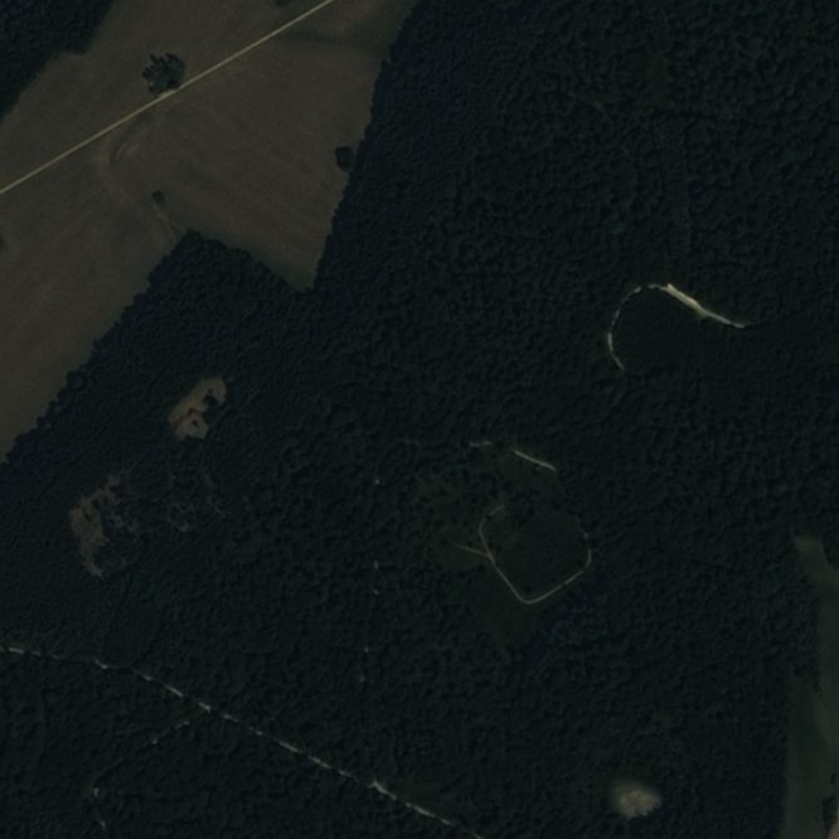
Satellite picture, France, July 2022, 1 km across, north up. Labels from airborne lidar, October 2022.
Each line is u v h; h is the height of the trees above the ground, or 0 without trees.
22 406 0
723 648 20
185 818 27
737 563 19
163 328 32
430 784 23
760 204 33
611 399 13
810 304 16
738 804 20
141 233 0
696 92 19
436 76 36
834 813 16
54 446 28
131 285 0
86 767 23
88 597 26
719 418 12
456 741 23
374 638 22
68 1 30
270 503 22
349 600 21
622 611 22
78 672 30
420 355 14
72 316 0
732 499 28
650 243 20
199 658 25
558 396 25
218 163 0
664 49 32
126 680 24
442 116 38
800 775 0
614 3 21
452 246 31
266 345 27
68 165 0
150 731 26
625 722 20
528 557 0
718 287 25
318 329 28
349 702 20
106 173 0
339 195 0
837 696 0
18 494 25
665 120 28
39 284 0
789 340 13
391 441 21
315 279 0
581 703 24
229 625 27
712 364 11
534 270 27
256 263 21
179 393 25
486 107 34
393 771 22
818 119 29
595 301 20
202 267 27
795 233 23
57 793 22
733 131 31
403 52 25
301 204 0
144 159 0
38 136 0
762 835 12
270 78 0
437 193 36
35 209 0
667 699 16
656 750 15
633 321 15
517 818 12
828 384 8
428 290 26
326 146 0
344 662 24
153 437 28
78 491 27
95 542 0
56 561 24
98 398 29
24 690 26
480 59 37
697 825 19
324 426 25
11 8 33
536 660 30
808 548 0
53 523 26
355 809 22
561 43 33
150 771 24
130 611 11
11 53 23
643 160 27
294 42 0
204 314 30
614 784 0
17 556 24
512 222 27
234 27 0
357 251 28
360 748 14
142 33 0
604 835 24
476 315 30
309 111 0
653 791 0
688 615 17
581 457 23
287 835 24
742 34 26
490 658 27
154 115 0
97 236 0
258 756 26
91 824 21
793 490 26
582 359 30
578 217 25
